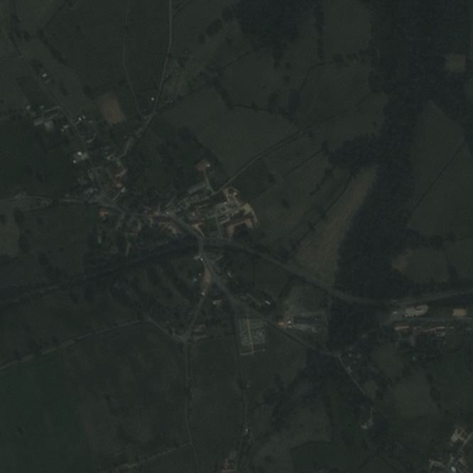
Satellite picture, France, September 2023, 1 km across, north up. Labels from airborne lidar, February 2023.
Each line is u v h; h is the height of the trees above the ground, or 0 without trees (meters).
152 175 0
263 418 0
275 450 0
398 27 0
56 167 0
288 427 0
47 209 16
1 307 15
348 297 0
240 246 0
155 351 0
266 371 0
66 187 0
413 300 0
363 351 12
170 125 0
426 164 0
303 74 0
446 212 0
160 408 0
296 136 0
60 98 0
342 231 0
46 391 0
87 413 0
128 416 0
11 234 0
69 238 0
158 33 0
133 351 0
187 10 0
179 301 0
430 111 0
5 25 0
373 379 16
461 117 24
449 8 13
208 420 0
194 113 0
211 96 0
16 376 0
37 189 0
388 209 21
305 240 0
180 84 0
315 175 0
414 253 0
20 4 0
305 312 0
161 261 17
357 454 0
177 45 0
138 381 0
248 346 0
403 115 28
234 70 0
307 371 7
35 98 0
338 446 0
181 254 11
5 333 0
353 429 0
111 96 0
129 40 0
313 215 0
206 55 0
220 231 0
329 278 0
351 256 20
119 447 0
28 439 0
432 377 11
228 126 0
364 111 0
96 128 0
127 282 17
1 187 0
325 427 0
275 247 0
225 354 0
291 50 0
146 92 0
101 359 0
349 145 13
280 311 0
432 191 0
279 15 25
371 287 20
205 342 0
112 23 0
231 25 0
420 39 18
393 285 20
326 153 9
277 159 0
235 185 0
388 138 23
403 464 6
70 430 0
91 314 0
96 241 14
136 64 0
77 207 0
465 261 0
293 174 0
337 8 0
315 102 0
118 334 0
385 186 21
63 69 0
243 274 0
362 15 0
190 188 0
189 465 0
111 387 0
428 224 0
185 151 0
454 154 0
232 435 0
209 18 0
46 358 0
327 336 0
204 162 0
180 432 0
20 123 0
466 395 0
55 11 0
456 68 0
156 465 0
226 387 0
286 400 14
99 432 0
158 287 0
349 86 0
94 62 0
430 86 22
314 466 9
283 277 0
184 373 0
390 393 0
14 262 0
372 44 14
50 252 6
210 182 0
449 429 0
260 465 0
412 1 22
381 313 0
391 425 0
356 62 0
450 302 10
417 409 0
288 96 0
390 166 27
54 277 10
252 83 0
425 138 0
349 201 0
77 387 0
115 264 13
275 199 0
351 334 14
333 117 0
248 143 0
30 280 0
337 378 23
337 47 0
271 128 0
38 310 0
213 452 0
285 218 0
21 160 0
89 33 0
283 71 0
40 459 0
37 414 0
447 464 0
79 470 0
